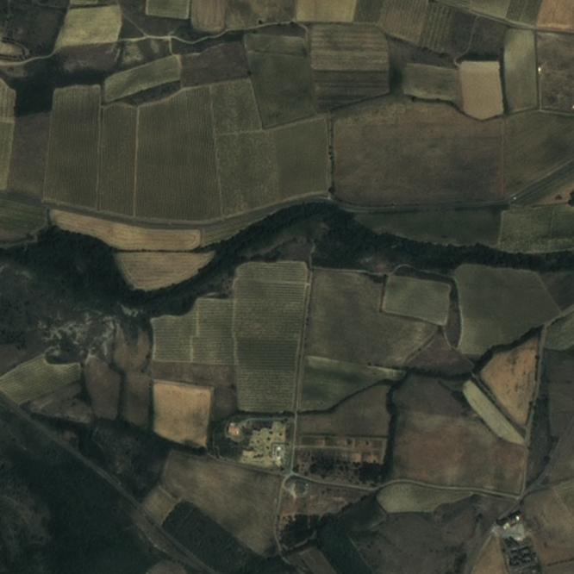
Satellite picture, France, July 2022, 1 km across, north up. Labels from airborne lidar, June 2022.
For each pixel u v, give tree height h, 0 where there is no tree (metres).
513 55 0
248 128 0
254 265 0
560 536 0
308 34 0
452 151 0
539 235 0
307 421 0
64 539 6
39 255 8
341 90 0
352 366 0
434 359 0
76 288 9
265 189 0
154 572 0
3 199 0
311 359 0
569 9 0
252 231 14
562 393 0
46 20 0
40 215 0
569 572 0
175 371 0
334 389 0
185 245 0
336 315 0
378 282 8
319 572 0
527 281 0
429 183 0
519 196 0
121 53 0
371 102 0
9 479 8
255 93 0
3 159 0
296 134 0
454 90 0
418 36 0
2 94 0
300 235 0
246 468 0
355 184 0
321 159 0
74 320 0
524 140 0
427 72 0
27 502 0
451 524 0
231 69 0
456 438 0
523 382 0
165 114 0
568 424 0
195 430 0
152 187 0
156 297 11
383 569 0
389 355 0
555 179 0
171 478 0
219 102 0
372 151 0
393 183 0
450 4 0
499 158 0
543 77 0
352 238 8
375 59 0
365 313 0
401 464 0
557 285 0
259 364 0
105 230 0
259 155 0
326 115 0
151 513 0
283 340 0
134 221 0
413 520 0
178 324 0
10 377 0
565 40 0
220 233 0
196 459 0
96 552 7
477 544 0
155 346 0
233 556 8
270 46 0
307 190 0
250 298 0
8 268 0
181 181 0
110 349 0
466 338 0
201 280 10
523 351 0
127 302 8
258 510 0
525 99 0
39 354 0
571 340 0
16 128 0
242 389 0
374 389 0
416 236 0
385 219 0
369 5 0
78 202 0
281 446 0
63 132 0
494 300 0
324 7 0
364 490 0
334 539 9
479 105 0
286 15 0
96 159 0
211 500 0
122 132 0
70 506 10
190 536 9
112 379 0
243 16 0
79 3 0
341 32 0
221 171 0
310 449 0
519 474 0
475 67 0
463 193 0
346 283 0
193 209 0
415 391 0
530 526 0
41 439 0
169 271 0
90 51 0
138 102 0
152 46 0
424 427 0
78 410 0
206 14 0
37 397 0
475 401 0
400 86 0
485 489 0
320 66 0
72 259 5
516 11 0
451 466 0
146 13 0
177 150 0
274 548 0
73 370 0
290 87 0
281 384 0
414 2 0
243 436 0
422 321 0
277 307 0
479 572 0
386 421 0
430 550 0
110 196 0
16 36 0
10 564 8
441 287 0
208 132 0
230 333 0
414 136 0
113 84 0
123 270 0
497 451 0
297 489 0
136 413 0
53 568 7
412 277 0
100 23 0
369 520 0
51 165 0
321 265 7
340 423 0
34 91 0
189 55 0
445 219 0
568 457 0
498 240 0
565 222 0
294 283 0
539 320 0
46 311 0
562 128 0
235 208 0
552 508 0
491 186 0
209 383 0
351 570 7
